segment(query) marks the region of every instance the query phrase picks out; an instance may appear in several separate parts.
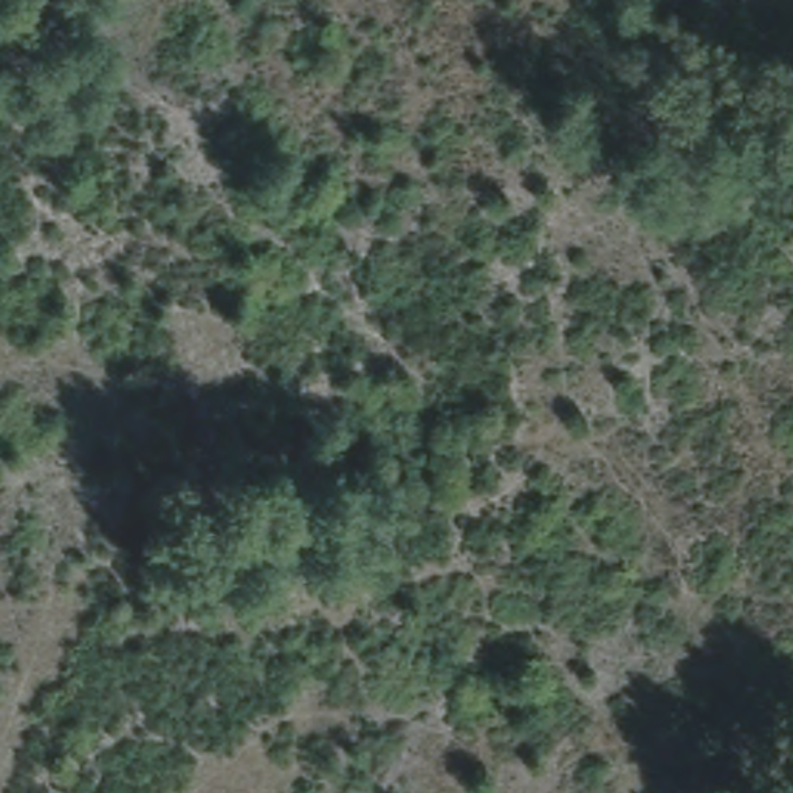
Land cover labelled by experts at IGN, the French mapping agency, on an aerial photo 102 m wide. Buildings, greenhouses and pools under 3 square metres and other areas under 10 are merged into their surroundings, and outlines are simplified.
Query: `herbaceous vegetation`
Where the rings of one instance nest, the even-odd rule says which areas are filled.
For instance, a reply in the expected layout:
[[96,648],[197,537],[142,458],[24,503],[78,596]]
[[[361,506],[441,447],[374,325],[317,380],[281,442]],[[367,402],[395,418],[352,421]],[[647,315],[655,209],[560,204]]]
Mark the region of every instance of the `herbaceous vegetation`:
[[347,248],[366,257],[375,226],[359,223],[344,232],[344,242]]
[[62,260],[68,269],[105,263],[124,251],[127,232],[84,232],[84,226],[71,214],[53,208],[37,195],[37,183],[43,177],[31,173],[22,177],[25,201],[31,204],[31,214],[25,217],[28,235],[0,254],[0,269],[19,273],[28,257]]
[[173,164],[173,170],[183,183],[201,186],[220,177],[220,170],[201,152],[195,121],[183,108],[186,96],[149,81],[149,71],[155,68],[155,43],[164,37],[164,6],[158,0],[121,0],[127,6],[124,22],[108,25],[105,19],[96,25],[96,31],[105,40],[118,40],[127,56],[130,71],[124,90],[136,99],[139,108],[155,108],[167,121],[164,139],[167,146],[180,149],[180,161]]
[[688,508],[669,505],[666,486],[657,486],[651,480],[651,446],[657,443],[657,431],[669,421],[669,400],[654,397],[651,387],[651,369],[657,366],[654,353],[632,362],[629,372],[638,381],[644,400],[641,415],[629,415],[620,409],[616,390],[601,375],[598,362],[589,362],[582,375],[561,375],[561,366],[573,359],[573,353],[567,350],[567,325],[573,313],[564,297],[570,279],[585,279],[604,269],[610,279],[623,285],[644,282],[651,313],[666,322],[672,313],[666,304],[669,288],[685,291],[685,307],[697,304],[697,282],[685,266],[672,263],[669,242],[644,235],[629,208],[601,211],[610,180],[595,177],[589,167],[564,170],[548,142],[542,121],[530,112],[520,112],[514,124],[524,130],[524,149],[514,149],[508,158],[502,158],[499,146],[489,136],[465,133],[468,149],[462,152],[462,170],[496,180],[517,217],[530,211],[542,220],[536,229],[536,245],[548,251],[551,266],[558,269],[554,285],[536,282],[527,291],[520,285],[517,266],[508,266],[502,260],[486,266],[489,279],[505,285],[505,291],[517,304],[533,304],[536,294],[548,297],[548,347],[536,350],[527,344],[520,353],[524,366],[508,369],[508,393],[520,421],[514,427],[514,446],[524,446],[536,462],[542,462],[551,474],[561,477],[564,486],[558,499],[567,502],[573,511],[592,511],[595,505],[629,508],[641,520],[641,551],[654,554],[660,539],[669,542],[675,554],[669,582],[678,592],[669,595],[666,610],[675,616],[697,616],[703,623],[703,644],[694,644],[688,651],[651,644],[641,647],[635,638],[635,620],[629,620],[620,623],[613,635],[595,635],[585,663],[570,657],[573,644],[567,632],[545,623],[520,629],[530,647],[542,651],[539,660],[542,666],[551,666],[561,675],[561,685],[589,706],[592,719],[582,734],[554,740],[554,747],[542,759],[530,740],[520,740],[517,759],[502,762],[499,771],[489,778],[499,787],[499,793],[685,793],[691,778],[688,759],[666,740],[666,706],[681,703],[709,712],[737,740],[750,740],[762,731],[768,712],[778,703],[793,700],[793,660],[774,651],[759,629],[740,620],[716,620],[712,607],[700,601],[697,589],[685,579],[685,567],[697,567],[688,554],[691,545],[703,542],[706,536],[694,524],[681,533],[669,527],[672,514],[685,514]]
[[462,530],[449,527],[449,561],[427,561],[415,567],[412,582],[421,582],[427,576],[465,573],[471,567],[471,554],[462,551]]
[[762,341],[774,338],[774,331],[784,322],[784,313],[778,307],[768,307],[753,319],[753,335]]
[[508,471],[493,493],[477,493],[465,502],[465,514],[474,517],[489,505],[508,505],[524,489],[524,474]]
[[347,307],[341,307],[347,328],[366,338],[366,344],[375,353],[390,356],[397,350],[397,341],[384,338],[375,322],[369,322],[366,297],[359,294]]
[[685,319],[697,335],[697,381],[703,390],[703,403],[734,397],[740,400],[740,406],[728,412],[728,421],[750,424],[750,440],[734,440],[731,449],[737,455],[771,458],[768,486],[781,486],[781,480],[793,474],[793,465],[787,465],[787,452],[781,452],[768,440],[768,418],[781,409],[781,403],[793,400],[793,353],[759,353],[740,344],[734,338],[737,313],[700,313]]
[[12,533],[15,511],[34,511],[37,524],[43,527],[28,558],[28,567],[37,573],[37,582],[43,585],[43,598],[0,601],[0,784],[12,774],[15,750],[25,731],[22,703],[40,681],[56,678],[62,638],[74,635],[77,613],[84,610],[81,595],[65,595],[56,589],[56,564],[62,551],[84,545],[87,533],[108,536],[118,548],[124,548],[133,539],[133,530],[127,527],[127,508],[146,499],[146,486],[167,458],[208,458],[211,449],[223,440],[223,434],[248,434],[254,440],[288,440],[319,434],[328,443],[338,431],[344,400],[328,397],[328,375],[316,375],[300,387],[297,381],[282,381],[279,366],[266,369],[266,378],[242,372],[248,359],[242,359],[242,350],[235,347],[239,331],[214,310],[198,313],[173,304],[167,307],[164,325],[167,331],[173,331],[177,362],[167,362],[161,356],[121,353],[102,366],[99,359],[93,359],[81,331],[71,341],[40,341],[31,353],[19,350],[15,344],[6,344],[0,350],[0,378],[12,381],[22,393],[28,393],[28,403],[40,403],[34,409],[34,424],[46,424],[56,418],[65,421],[62,446],[50,458],[25,455],[22,462],[15,458],[0,471],[0,542]]
[[452,725],[446,725],[443,716],[446,700],[424,700],[418,709],[427,709],[427,719],[415,722],[415,712],[393,716],[378,703],[362,709],[322,706],[319,697],[325,685],[313,678],[291,694],[291,703],[282,712],[257,716],[245,728],[245,740],[232,750],[232,756],[198,750],[192,756],[192,781],[183,793],[291,793],[291,784],[300,774],[300,762],[276,765],[260,743],[263,734],[273,734],[279,722],[291,722],[300,734],[325,731],[335,725],[350,734],[359,731],[353,719],[362,716],[369,716],[372,722],[403,722],[403,747],[387,762],[384,784],[372,793],[468,793],[480,781],[486,781],[486,768],[477,756],[465,750],[449,750]]

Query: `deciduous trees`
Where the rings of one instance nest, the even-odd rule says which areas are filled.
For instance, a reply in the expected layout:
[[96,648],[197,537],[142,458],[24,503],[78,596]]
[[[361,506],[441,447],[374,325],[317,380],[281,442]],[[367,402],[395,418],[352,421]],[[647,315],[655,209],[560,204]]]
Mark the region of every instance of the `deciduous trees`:
[[517,691],[517,706],[508,706],[505,712],[508,725],[517,731],[520,740],[530,740],[542,759],[554,747],[554,740],[582,734],[592,719],[589,706],[561,685],[561,675],[551,666],[542,666],[539,660],[527,663],[524,685]]
[[347,604],[369,595],[397,592],[403,570],[400,558],[387,551],[387,542],[397,536],[390,524],[393,486],[378,471],[375,440],[369,431],[353,440],[350,434],[338,431],[328,443],[319,434],[288,440],[254,440],[248,434],[223,434],[223,440],[211,449],[208,458],[167,458],[146,486],[146,499],[127,508],[127,527],[133,530],[133,539],[139,548],[152,554],[152,564],[161,564],[158,585],[173,589],[173,613],[180,616],[180,623],[173,626],[177,632],[260,632],[263,626],[285,629],[310,613],[328,620],[331,626],[347,626],[353,616]]
[[737,740],[709,712],[681,703],[666,706],[666,740],[688,759],[691,778],[685,793],[793,793],[793,700],[778,703],[768,712],[762,731],[750,740]]
[[108,25],[124,22],[127,6],[121,0],[0,0],[0,127],[15,142],[31,142],[34,155],[65,155],[74,146],[77,133],[93,133],[93,124],[99,118],[112,121],[118,108],[118,93],[124,90],[130,71],[127,56],[118,40],[105,40],[96,31],[96,25],[105,19]]
[[564,170],[589,167],[595,177],[610,180],[601,211],[629,208],[644,235],[669,242],[703,242],[716,235],[722,226],[743,223],[753,208],[753,198],[762,189],[784,192],[793,180],[793,50],[787,46],[787,40],[759,37],[756,25],[750,25],[747,19],[722,12],[725,0],[629,0],[620,15],[620,31],[626,34],[626,43],[613,62],[613,74],[607,81],[592,81],[582,90],[576,112],[558,127],[554,139],[548,142]]

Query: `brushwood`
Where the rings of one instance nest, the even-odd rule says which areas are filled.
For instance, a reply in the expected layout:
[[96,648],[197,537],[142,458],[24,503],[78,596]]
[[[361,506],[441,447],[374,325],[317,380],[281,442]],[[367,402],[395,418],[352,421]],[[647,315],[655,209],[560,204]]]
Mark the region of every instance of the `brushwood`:
[[[774,651],[793,660],[793,474],[781,480],[781,486],[768,486],[771,458],[737,455],[731,449],[734,440],[750,440],[750,424],[728,421],[728,412],[740,406],[740,400],[734,397],[703,403],[703,390],[697,381],[697,335],[685,319],[700,313],[737,313],[734,338],[740,344],[759,353],[793,353],[793,180],[784,192],[762,189],[753,198],[753,208],[743,223],[722,226],[716,235],[703,242],[669,242],[672,263],[685,266],[697,282],[697,304],[685,307],[685,291],[669,288],[666,304],[672,313],[666,322],[651,313],[644,282],[623,285],[610,279],[604,269],[585,279],[570,279],[564,297],[573,313],[567,325],[567,350],[573,353],[573,359],[561,366],[561,375],[582,375],[589,362],[598,362],[601,375],[616,390],[620,409],[629,415],[641,415],[644,400],[638,381],[629,372],[632,362],[654,353],[657,366],[651,369],[651,387],[654,397],[669,400],[669,421],[657,431],[657,443],[651,446],[651,480],[657,486],[666,486],[669,505],[688,508],[685,514],[672,514],[669,527],[681,533],[694,524],[706,536],[703,542],[691,545],[688,554],[697,567],[685,567],[685,579],[697,589],[700,601],[712,607],[716,620],[740,620],[759,629]],[[768,307],[778,307],[784,313],[784,322],[774,331],[774,338],[762,341],[753,335],[753,319]]]
[[[344,400],[338,431],[350,434],[353,440],[369,431],[375,440],[378,471],[393,486],[390,524],[397,536],[387,542],[387,551],[400,558],[403,570],[397,592],[369,595],[347,604],[353,616],[347,626],[331,626],[328,620],[310,613],[285,629],[263,626],[260,632],[177,632],[173,626],[180,623],[180,616],[173,613],[173,589],[158,585],[161,564],[152,564],[152,554],[139,548],[133,539],[124,548],[118,548],[108,536],[87,533],[84,545],[62,551],[56,564],[56,589],[65,595],[81,595],[84,610],[77,613],[74,635],[62,638],[56,678],[40,681],[22,703],[25,731],[15,750],[12,774],[0,784],[0,793],[183,793],[192,781],[192,756],[198,750],[232,756],[232,750],[245,740],[245,728],[257,716],[282,712],[291,703],[291,694],[313,678],[325,685],[319,697],[322,706],[362,709],[378,703],[393,716],[415,712],[415,722],[427,719],[427,709],[418,709],[424,700],[446,700],[443,716],[446,725],[452,725],[449,750],[465,750],[477,756],[486,768],[486,781],[480,781],[468,793],[499,793],[499,787],[489,778],[499,771],[502,762],[517,759],[520,740],[517,731],[508,725],[505,712],[508,706],[517,706],[517,691],[524,685],[527,663],[539,660],[542,651],[530,647],[520,629],[545,623],[567,632],[573,644],[570,657],[585,663],[595,635],[613,635],[620,623],[629,620],[635,620],[635,638],[641,647],[651,644],[688,651],[694,644],[703,644],[703,623],[697,616],[675,616],[666,610],[669,595],[678,592],[669,582],[675,554],[669,542],[660,539],[654,554],[641,551],[641,520],[629,508],[595,505],[592,511],[573,511],[567,502],[558,499],[564,486],[561,477],[551,474],[542,462],[536,462],[524,446],[514,446],[514,427],[520,421],[508,393],[508,369],[524,366],[520,353],[527,344],[536,350],[548,347],[548,297],[536,294],[533,304],[517,304],[505,291],[505,285],[489,279],[486,266],[502,260],[508,266],[517,266],[520,285],[527,291],[536,282],[554,285],[558,269],[551,266],[548,251],[536,245],[536,229],[542,220],[530,211],[517,217],[496,180],[462,170],[462,152],[468,149],[465,133],[489,136],[499,146],[502,158],[508,158],[514,149],[524,149],[524,130],[514,124],[520,112],[530,112],[542,121],[548,142],[554,139],[558,127],[576,112],[582,90],[592,81],[607,81],[613,74],[613,62],[626,43],[626,34],[620,31],[620,15],[629,0],[158,0],[164,6],[164,37],[155,43],[155,68],[149,71],[149,81],[186,96],[183,108],[195,121],[201,152],[220,170],[220,177],[201,186],[183,183],[173,170],[173,164],[180,161],[180,149],[167,146],[164,139],[167,121],[155,108],[139,108],[136,99],[124,90],[118,93],[118,108],[112,121],[99,118],[93,124],[93,133],[77,133],[74,146],[65,155],[34,155],[31,142],[15,142],[0,127],[0,254],[28,235],[25,217],[31,214],[31,204],[25,201],[22,177],[31,173],[43,177],[37,183],[37,195],[53,208],[71,214],[84,226],[84,232],[127,232],[124,251],[105,263],[68,269],[62,260],[28,257],[19,273],[0,269],[0,350],[6,344],[15,344],[19,350],[31,353],[40,341],[71,341],[81,331],[93,359],[99,359],[102,366],[121,353],[161,356],[167,362],[177,362],[173,331],[167,331],[164,325],[167,307],[173,304],[198,313],[214,310],[239,331],[235,347],[242,350],[242,359],[248,359],[242,372],[266,378],[266,369],[279,366],[282,381],[297,381],[300,387],[316,375],[328,375],[328,397]],[[344,232],[359,223],[375,226],[366,257],[347,248],[344,242]],[[397,350],[390,356],[375,353],[366,344],[366,338],[347,328],[341,307],[347,307],[359,294],[366,297],[369,322],[375,322],[384,338],[397,341]],[[493,493],[508,471],[524,474],[524,489],[508,505],[489,505],[474,517],[465,514],[465,502],[477,493]],[[427,576],[421,582],[412,582],[415,567],[427,561],[449,561],[449,527],[462,530],[462,551],[471,554],[471,567],[465,573]]]
[[28,403],[28,393],[22,393],[12,381],[0,378],[0,471],[15,458],[22,462],[25,455],[50,458],[62,446],[65,421],[56,418],[46,424],[34,424],[34,409],[40,403]]
[[768,440],[781,452],[787,452],[787,465],[793,465],[793,400],[781,403],[781,409],[768,418]]
[[34,511],[15,511],[12,533],[0,542],[0,601],[43,598],[43,585],[37,582],[37,573],[28,567],[28,558],[43,527],[37,524]]
[[291,784],[291,793],[372,793],[384,784],[387,762],[403,747],[403,722],[372,722],[369,716],[362,716],[353,719],[359,731],[350,734],[335,725],[325,731],[300,734],[291,722],[279,722],[273,734],[263,734],[260,743],[276,765],[300,762],[300,774]]
[[750,25],[756,25],[759,37],[787,40],[787,46],[793,50],[793,0],[725,0],[722,12],[747,19]]

